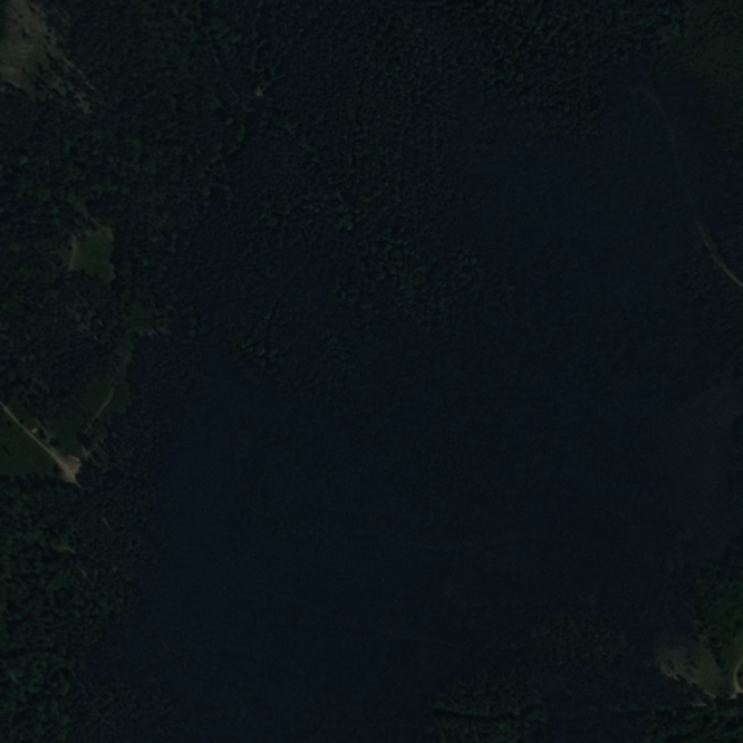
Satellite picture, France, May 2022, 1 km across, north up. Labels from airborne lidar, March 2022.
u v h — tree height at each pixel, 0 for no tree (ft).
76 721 92
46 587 92
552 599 58
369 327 94
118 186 101
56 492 106
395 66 71
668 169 32
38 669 97
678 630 51
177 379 90
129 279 99
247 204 84
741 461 89
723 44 0
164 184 111
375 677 62
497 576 62
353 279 76
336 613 63
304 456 88
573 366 89
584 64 43
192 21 56
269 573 60
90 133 94
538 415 72
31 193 118
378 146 60
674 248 0
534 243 74
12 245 108
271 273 93
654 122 21
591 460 84
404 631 57
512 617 69
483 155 74
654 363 24
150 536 59
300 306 86
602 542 74
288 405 97
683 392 18
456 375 84
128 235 98
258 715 88
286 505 82
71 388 111
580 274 72
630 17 97
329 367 56
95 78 80
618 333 74
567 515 59
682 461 0
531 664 72
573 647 73
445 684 66
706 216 77
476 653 54
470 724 82
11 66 0
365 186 79
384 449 85
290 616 65
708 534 0
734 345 24
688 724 62
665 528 50
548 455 73
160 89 96
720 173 25
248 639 79
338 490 81
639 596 51
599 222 64
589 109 76
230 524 55
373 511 75
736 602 62
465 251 79
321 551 59
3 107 77
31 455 0
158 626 82
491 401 74
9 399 87
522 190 87
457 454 66
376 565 59
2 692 112
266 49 90
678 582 57
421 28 81
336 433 126
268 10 88
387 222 76
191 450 35
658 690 69
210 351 97
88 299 106
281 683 90
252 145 85
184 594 60
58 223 120
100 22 82
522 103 85
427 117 84
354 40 83
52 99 77
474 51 97
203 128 93
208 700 81
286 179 82
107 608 72
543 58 73
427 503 75
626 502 96
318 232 83
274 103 98
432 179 75
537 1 92
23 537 106
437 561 63
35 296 97
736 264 92
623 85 87
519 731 91
